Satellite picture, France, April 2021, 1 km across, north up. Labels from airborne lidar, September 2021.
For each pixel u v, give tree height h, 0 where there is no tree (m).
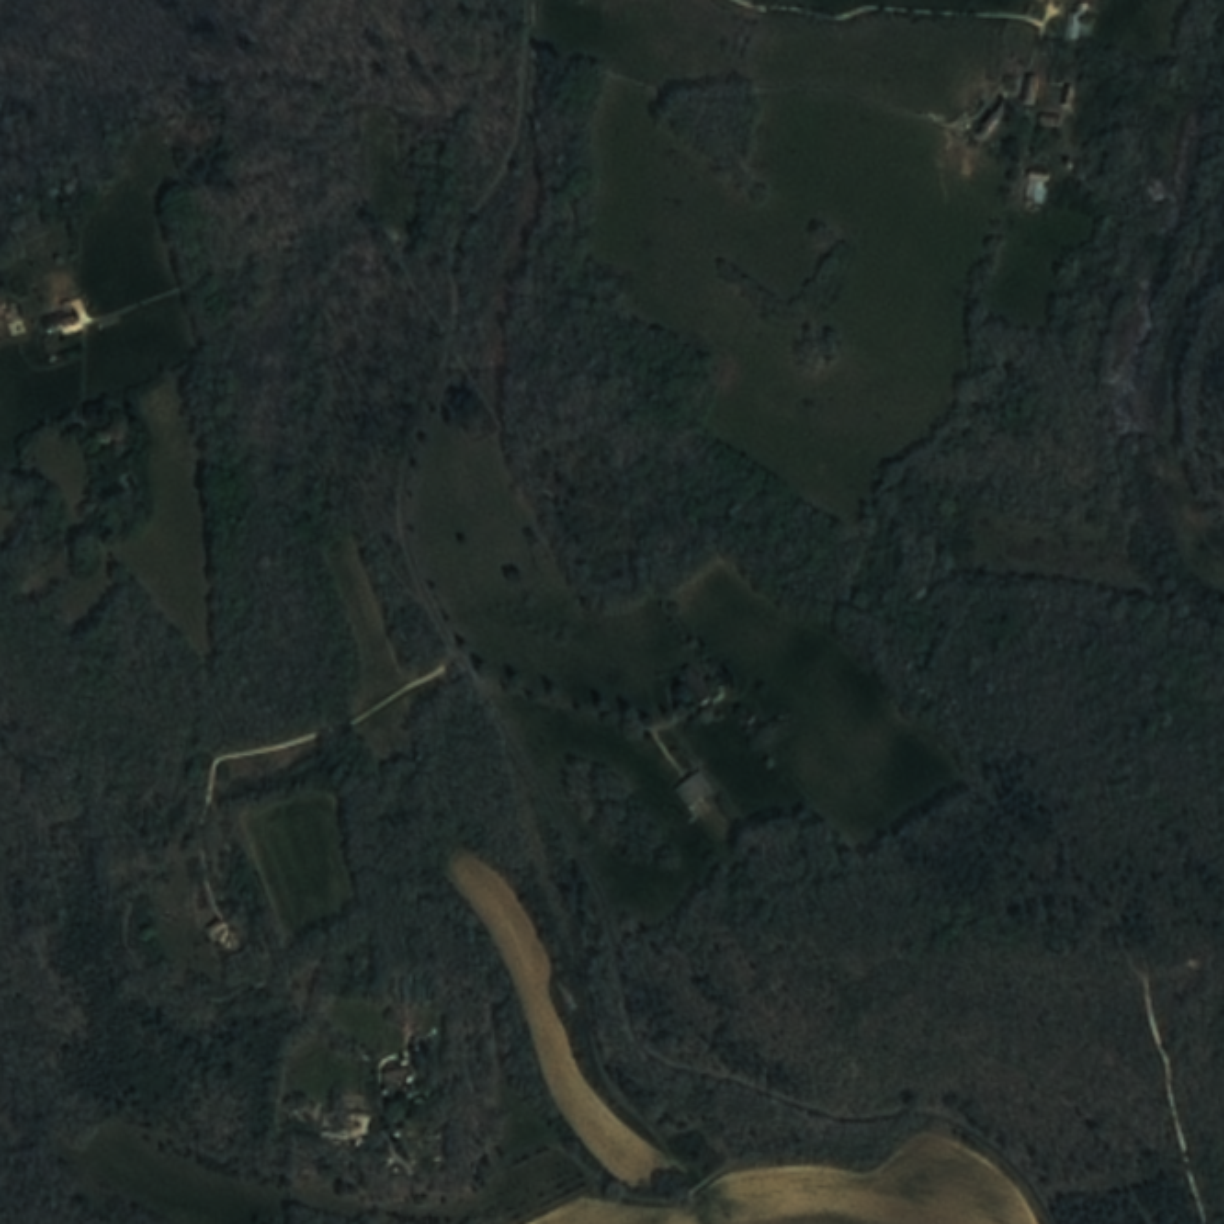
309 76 18
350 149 15
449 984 15
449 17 23
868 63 0
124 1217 14
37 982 13
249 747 22
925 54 0
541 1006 0
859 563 15
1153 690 16
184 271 20
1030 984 16
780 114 0
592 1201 0
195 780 15
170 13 22
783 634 0
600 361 18
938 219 0
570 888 8
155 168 0
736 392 0
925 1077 16
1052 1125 10
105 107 12
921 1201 0
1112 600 12
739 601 0
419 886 19
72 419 13
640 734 15
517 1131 0
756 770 0
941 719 18
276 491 18
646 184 0
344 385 21
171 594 0
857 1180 0
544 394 14
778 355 0
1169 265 9
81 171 17
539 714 0
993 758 12
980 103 0
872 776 0
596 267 10
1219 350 12
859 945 21
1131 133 15
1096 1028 13
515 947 0
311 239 19
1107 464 20
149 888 13
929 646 11
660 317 0
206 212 18
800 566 17
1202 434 11
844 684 0
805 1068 8
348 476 19
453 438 0
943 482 19
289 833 0
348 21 13
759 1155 11
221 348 13
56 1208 10
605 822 15
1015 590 15
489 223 13
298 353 11
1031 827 19
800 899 22
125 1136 0
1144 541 12
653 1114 20
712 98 22
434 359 23
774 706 0
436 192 12
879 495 16
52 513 23
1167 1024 10
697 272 0
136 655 18
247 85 13
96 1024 7
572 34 0
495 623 0
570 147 16
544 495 10
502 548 0
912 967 18
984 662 16
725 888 14
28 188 17
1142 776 13
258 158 14
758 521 22
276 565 18
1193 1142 11
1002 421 8
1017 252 0
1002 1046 17
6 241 16
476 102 15
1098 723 13
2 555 16
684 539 15
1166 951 8
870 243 0
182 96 10
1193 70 13
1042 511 18
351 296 9
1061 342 18
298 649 15
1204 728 14
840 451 0
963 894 24
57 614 12
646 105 0
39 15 20
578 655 0
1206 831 11
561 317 11
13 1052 14
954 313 0
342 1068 0
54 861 17
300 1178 9
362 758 19
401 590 10
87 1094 6
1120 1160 12
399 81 20
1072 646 11
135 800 6
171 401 0
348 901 0
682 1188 11
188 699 22
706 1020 8
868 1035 12
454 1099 15
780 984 10
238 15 17
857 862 22
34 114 16
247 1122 9
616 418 17
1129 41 0
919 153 0
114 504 20
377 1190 17
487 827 16
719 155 18
